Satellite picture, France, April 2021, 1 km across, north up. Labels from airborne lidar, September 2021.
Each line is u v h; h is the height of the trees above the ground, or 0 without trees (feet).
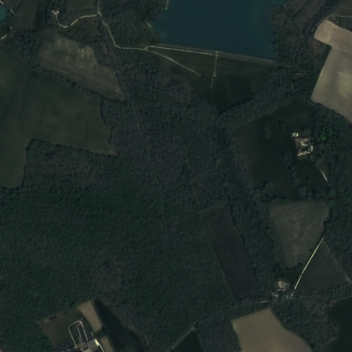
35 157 59
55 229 61
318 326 37
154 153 39
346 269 64
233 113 59
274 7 26
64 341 0
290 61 23
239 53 0
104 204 75
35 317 56
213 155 47
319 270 0
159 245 45
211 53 0
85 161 61
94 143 0
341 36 0
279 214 0
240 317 44
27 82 0
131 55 30
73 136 0
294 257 0
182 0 0
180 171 53
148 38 0
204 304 48
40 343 72
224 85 0
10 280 58
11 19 41
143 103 62
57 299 68
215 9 0
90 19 0
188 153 18
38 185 78
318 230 0
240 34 0
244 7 0
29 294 60
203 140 55
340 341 0
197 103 36
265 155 0
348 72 0
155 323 41
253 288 0
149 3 37
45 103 0
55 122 0
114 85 0
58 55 0
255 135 0
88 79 0
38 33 52
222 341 54
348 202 72
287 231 0
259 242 66
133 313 43
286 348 0
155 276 58
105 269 62
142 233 60
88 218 45
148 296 70
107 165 59
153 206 76
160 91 55
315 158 46
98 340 0
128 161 58
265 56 0
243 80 0
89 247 69
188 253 59
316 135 60
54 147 41
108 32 52
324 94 0
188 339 0
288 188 0
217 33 0
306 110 0
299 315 60
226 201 47
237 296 0
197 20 0
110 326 0
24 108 0
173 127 36
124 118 74
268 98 25
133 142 63
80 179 65
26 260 58
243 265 0
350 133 66
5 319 57
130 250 69
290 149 0
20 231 60
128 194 65
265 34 0
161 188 53
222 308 60
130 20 30
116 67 58
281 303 67
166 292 70
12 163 0
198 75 0
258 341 0
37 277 62
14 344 48
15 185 0
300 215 0
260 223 55
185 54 0
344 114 0
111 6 21
